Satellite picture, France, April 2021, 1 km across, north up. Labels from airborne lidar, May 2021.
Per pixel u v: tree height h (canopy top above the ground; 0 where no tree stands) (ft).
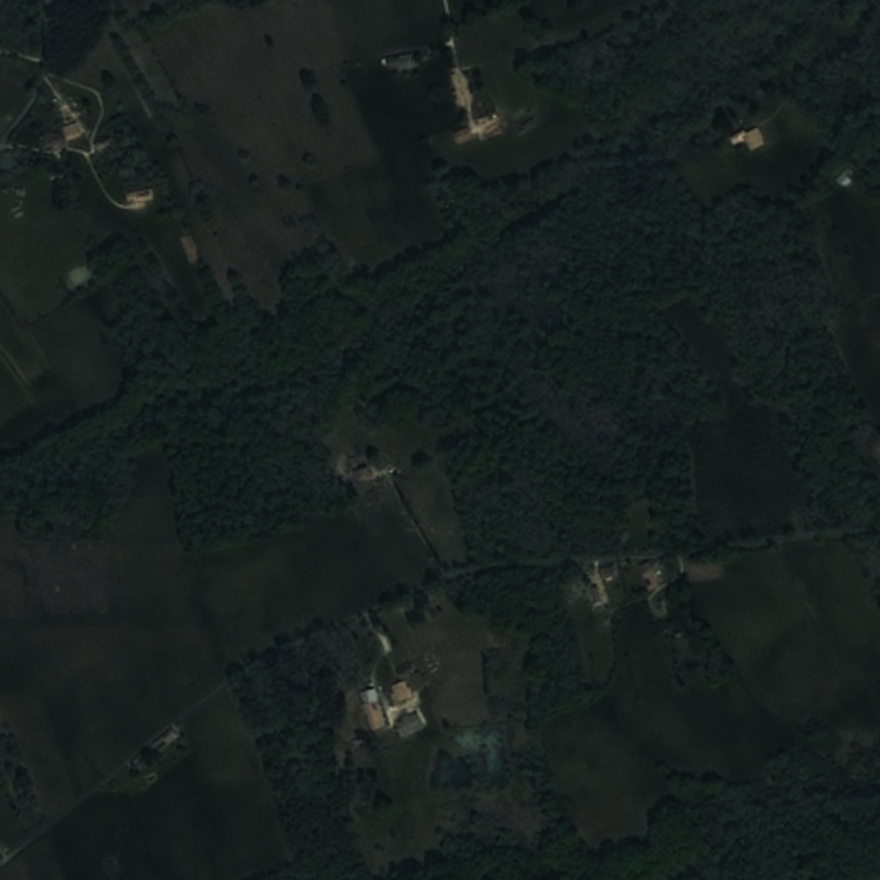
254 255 0
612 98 78
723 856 37
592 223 69
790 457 22
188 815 0
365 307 31
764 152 0
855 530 41
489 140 0
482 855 59
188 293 0
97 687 0
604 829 0
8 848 0
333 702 76
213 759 0
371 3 0
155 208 0
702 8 70
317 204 0
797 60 74
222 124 0
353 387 78
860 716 0
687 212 73
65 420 0
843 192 0
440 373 72
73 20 65
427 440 0
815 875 69
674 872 77
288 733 47
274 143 0
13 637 0
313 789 64
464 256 71
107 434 87
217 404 74
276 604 0
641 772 0
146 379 68
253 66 0
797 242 58
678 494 50
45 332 0
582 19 0
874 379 0
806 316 49
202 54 0
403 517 0
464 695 0
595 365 59
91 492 81
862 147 75
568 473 57
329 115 44
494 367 64
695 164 0
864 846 84
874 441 21
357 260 0
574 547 32
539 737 59
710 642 51
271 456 67
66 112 0
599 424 21
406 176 0
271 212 0
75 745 0
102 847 0
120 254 68
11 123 0
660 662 0
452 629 0
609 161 89
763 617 0
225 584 0
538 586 47
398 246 0
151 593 0
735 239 34
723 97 59
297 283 82
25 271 0
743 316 56
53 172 26
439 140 0
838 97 26
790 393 70
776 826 77
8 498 68
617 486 62
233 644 0
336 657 42
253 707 73
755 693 0
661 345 68
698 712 0
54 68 59
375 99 0
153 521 0
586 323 63
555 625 38
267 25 0
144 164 35
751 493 23
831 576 0
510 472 21
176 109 31
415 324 62
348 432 0
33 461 68
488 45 0
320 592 0
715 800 35
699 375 38
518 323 64
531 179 38
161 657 0
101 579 0
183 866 0
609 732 0
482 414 22
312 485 73
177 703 0
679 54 73
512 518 52
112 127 21
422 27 0
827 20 50
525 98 0
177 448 68
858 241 0
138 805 0
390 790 0
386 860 0
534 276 38
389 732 0
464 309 71
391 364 79
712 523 31
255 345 59
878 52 57
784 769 27
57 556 0
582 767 0
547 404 41
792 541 47
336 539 0
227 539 75
